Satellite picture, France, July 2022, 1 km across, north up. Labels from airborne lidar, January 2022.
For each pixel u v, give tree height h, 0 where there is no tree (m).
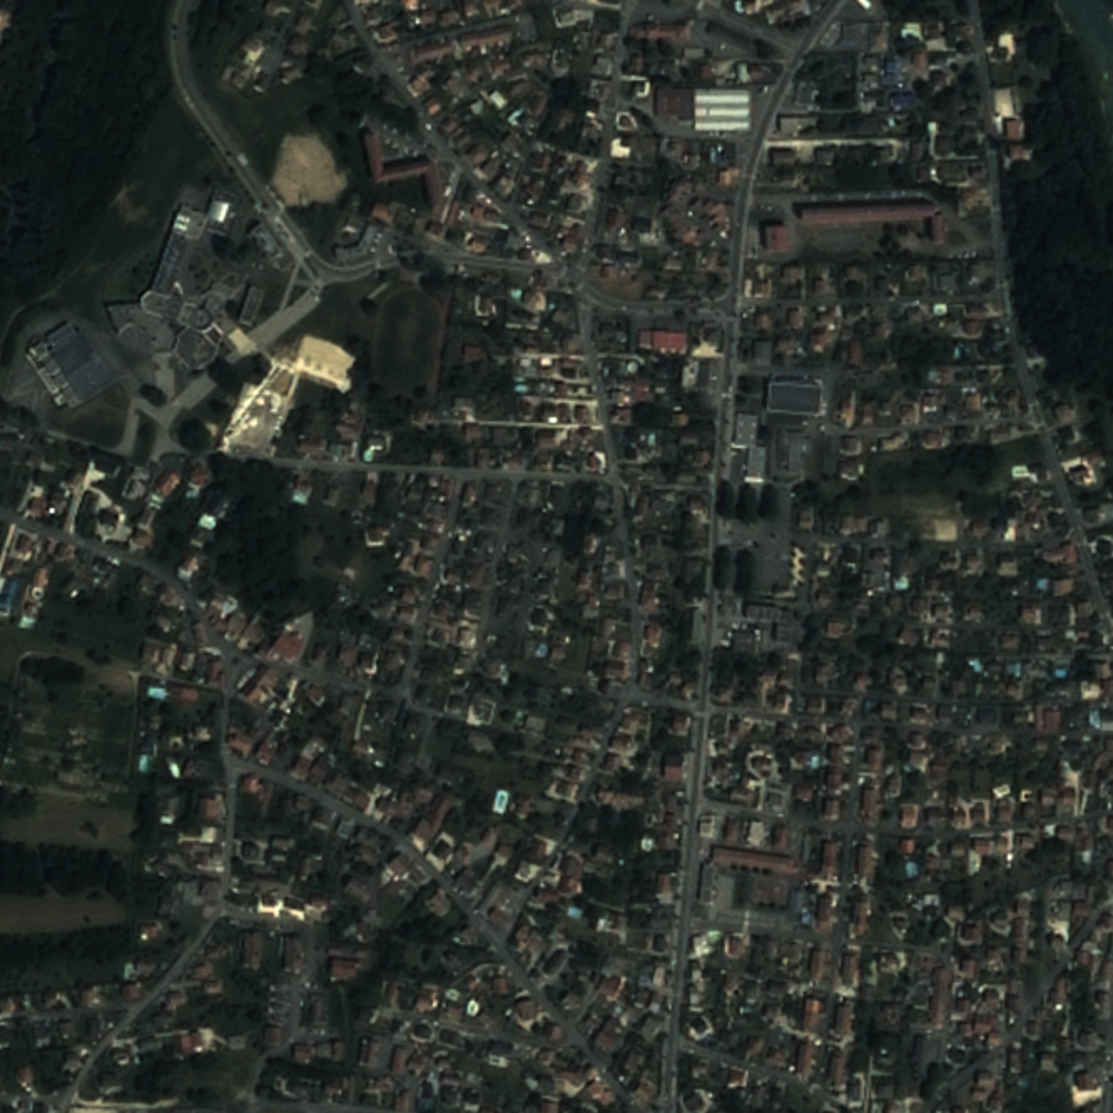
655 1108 7
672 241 6
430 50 0
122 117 17
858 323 8
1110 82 0
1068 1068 6
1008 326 0
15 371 0
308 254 0
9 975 6
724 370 0
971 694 7
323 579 0
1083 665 9
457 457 13
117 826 0
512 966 0
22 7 14
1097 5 0
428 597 0
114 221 0
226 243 25
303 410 7
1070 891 0
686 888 0
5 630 0
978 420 0
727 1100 14
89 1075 0
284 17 0
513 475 0
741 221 0
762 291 0
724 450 0
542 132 7
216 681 0
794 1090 0
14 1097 0
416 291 0
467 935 0
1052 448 0
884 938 0
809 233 0
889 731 8
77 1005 11
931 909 0
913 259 6
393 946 7
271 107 0
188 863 0
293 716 0
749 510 17
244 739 0
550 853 0
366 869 9
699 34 0
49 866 9
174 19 0
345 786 0
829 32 0
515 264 0
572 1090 0
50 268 12
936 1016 0
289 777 0
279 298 0
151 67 19
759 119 0
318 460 0
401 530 0
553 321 8
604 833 7
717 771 0
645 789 6
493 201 0
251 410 0
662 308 0
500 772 0
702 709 0
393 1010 0
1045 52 24
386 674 0
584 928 0
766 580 0
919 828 0
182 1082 0
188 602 0
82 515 7
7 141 21
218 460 16
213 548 12
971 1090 0
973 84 25
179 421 0
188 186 0
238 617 0
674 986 0
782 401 0
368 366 17
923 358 7
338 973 0
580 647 0
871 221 0
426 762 0
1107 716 0
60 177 21
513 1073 0
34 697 0
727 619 0
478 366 9
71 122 26
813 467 0
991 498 0
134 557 0
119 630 0
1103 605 0
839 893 0
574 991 6
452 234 10
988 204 0
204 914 0
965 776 0
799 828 0
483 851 0
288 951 0
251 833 7
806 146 0
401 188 0
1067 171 24
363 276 0
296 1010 0
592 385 0
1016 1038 0
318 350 0
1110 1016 0
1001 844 0
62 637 8
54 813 0
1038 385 0
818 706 0
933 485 0
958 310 0
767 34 0
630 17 0
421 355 0
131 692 0
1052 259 26
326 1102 0
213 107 0
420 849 0
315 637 0
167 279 0
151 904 0
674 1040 0
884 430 0
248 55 0
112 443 0
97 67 22
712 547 0
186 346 0
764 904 7
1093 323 25
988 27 8
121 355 0
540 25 0
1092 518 0
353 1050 0
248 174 0
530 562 0
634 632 0
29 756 0
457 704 0
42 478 14
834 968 0
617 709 0
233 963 0
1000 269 0
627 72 14
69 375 0
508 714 9
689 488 0
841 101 13
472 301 0
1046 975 0
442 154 0
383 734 0
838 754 0
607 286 0
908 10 11
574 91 16
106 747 0
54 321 0
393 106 5
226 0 11
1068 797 0
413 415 8
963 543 0
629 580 0
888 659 13
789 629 0
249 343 0
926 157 13
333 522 0
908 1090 0
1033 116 14
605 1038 0
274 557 9
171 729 11
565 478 0
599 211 0
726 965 0
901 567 0
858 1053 5
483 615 0
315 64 12
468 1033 0
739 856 0
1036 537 0
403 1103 0
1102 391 10
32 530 0
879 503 0
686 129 0
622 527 0
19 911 0
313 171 0
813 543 0
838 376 0
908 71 0
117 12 23
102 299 0
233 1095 0
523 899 0
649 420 13
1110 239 0
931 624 0
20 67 13
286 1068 11
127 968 0
